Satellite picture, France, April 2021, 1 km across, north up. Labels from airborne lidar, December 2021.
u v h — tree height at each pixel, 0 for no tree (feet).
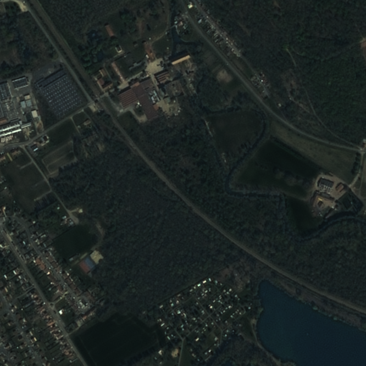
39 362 0
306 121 44
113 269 89
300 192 0
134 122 0
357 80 49
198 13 0
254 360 85
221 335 0
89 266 0
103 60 62
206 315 0
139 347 0
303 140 0
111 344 0
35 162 0
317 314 0
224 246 60
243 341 76
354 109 50
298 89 24
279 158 0
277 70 78
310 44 42
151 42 0
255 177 0
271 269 32
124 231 62
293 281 28
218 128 0
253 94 0
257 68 75
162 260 65
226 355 72
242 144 0
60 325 0
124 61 0
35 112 0
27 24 22
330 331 0
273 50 49
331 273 63
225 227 43
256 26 73
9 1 0
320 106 58
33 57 84
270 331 0
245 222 18
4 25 65
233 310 0
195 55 50
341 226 80
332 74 41
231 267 122
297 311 0
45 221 44
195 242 69
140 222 70
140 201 59
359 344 0
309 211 0
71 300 0
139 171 62
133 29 99
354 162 0
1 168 0
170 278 60
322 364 0
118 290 49
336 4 41
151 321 91
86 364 0
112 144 90
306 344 0
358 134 60
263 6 63
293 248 76
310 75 73
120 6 92
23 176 0
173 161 30
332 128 60
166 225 74
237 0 71
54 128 0
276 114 0
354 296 40
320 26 50
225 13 58
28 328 0
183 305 38
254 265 127
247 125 0
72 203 35
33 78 0
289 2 61
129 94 0
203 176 25
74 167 61
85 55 49
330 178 0
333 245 79
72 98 0
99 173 61
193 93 0
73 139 0
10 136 0
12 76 50
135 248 47
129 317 0
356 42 34
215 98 85
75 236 0
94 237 0
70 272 0
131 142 0
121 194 47
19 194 0
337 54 66
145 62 0
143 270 72
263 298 0
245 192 79
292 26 61
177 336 51
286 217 65
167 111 0
